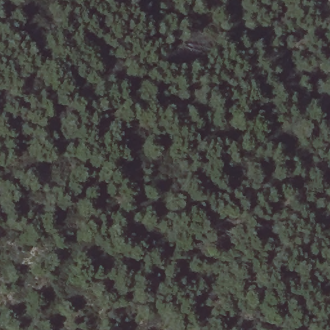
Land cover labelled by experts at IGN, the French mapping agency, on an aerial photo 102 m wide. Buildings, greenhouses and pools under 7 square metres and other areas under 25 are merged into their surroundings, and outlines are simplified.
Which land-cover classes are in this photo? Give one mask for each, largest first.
<instances>
[{"label":"coniferous trees","instance_id":"1","mask_svg":"<svg viewBox=\"0 0 330 330\"><path fill-rule=\"evenodd\" d=\"M0 330H330V0H0Z\"/></svg>","mask_w":330,"mask_h":330}]
</instances>
